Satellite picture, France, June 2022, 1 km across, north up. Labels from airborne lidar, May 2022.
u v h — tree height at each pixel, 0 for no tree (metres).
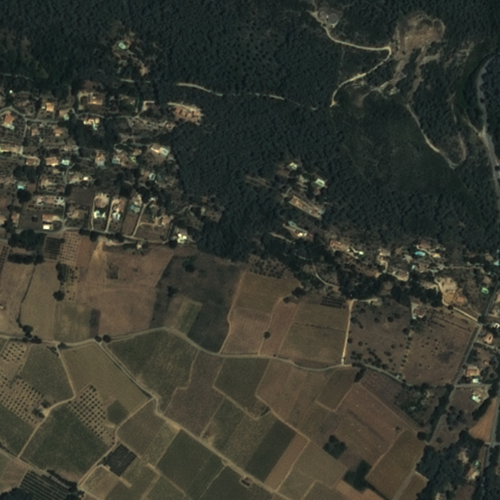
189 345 0
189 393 0
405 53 7
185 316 0
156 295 0
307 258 9
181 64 24
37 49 12
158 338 0
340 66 13
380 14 15
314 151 22
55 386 0
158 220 0
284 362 0
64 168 8
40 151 7
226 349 0
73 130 7
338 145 21
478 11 24
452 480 9
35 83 13
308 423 0
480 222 8
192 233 12
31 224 0
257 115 20
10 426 0
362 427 0
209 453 0
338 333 0
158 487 0
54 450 0
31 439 0
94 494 0
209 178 18
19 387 0
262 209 20
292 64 20
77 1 19
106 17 18
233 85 21
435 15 6
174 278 0
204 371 0
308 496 0
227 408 0
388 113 14
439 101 14
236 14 17
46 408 7
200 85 15
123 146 9
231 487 0
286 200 9
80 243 0
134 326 0
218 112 19
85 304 0
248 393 0
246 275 0
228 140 17
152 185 9
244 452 0
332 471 0
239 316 0
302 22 7
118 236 13
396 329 0
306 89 22
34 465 0
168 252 0
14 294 0
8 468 0
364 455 0
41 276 0
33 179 8
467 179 19
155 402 0
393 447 0
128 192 18
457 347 0
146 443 0
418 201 19
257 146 16
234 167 23
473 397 0
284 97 17
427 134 14
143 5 21
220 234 18
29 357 0
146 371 0
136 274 0
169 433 0
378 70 15
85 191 0
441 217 22
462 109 16
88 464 0
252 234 17
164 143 9
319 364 0
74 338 0
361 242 8
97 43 7
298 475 0
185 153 21
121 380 0
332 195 20
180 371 0
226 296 0
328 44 6
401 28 0
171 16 16
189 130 17
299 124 13
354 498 0
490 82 19
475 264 13
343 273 9
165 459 0
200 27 16
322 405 0
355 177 18
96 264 0
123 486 0
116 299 0
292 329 0
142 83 17
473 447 19
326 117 20
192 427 0
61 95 16
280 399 0
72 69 17
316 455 0
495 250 14
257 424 0
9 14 18
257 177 25
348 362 0
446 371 0
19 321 8
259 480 0
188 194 20
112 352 0
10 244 9
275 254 10
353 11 13
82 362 0
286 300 5
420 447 0
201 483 0
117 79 22
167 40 17
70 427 0
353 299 7
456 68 14
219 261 0
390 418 0
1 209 0
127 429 0
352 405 0
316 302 0
